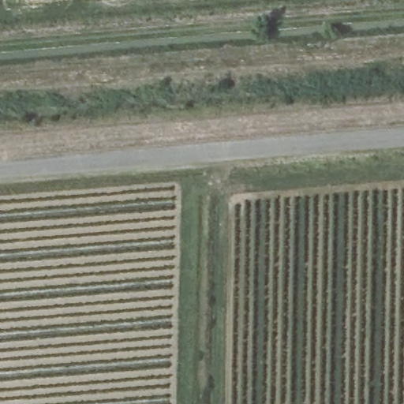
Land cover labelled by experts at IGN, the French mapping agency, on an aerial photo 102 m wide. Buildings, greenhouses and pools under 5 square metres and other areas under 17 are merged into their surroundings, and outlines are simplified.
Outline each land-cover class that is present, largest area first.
<instances>
[{"label":"vineyard","instance_id":"1","mask_svg":"<svg viewBox=\"0 0 404 404\"><path fill-rule=\"evenodd\" d=\"M202 174L199 169L159 170L95 177L80 175L58 180L0 183V404H177L181 219V188L178 181L181 178H197ZM234 273L240 275V292L238 303H234V325L232 404H404V188L325 194L324 199H319L317 194L286 199L270 197L246 200L235 205Z\"/></svg>","mask_w":404,"mask_h":404},{"label":"herbaceous vegetation","instance_id":"2","mask_svg":"<svg viewBox=\"0 0 404 404\"><path fill-rule=\"evenodd\" d=\"M265 16V33L270 38V44L252 46V39H249L126 47L93 50L82 54L39 55L0 60V96L14 90H57L60 93V106L57 109L41 107L28 110L25 118L30 123H0V161H33L74 153H109L129 148H166L227 140H252L259 137L311 136L344 131L350 133L353 129L404 128V95L395 96L393 99L379 96L369 99H347L344 104L336 103L331 107H324L322 104L294 103L268 109L267 104L241 106L238 103H221V107L188 110L185 104H170L166 109L153 107L147 118L133 115L122 117L120 120L106 117L93 120L79 118L77 114L90 106L85 103L80 93L90 92L92 85L129 90L170 77L174 84L188 85L194 80H200L202 84L216 85L224 77L234 79L235 76L249 74L270 77L271 74H297L300 71L298 65H306L319 71L361 68L366 63L376 62H387L393 68L404 66V27L369 30L350 28V32L344 35L333 30L331 25L333 22L350 25L353 22L404 19V0H0V54L13 50L118 43L125 39L158 36L175 38L194 33H227L232 30L237 33L246 32L249 30V17ZM308 25H317L320 33L294 36H282L279 33V27L286 30ZM224 169L230 170L227 178L230 185H245L246 193L306 186L357 185L369 181L404 180V147L365 148L349 150V153L331 151L294 158L287 155L282 158L268 156L219 163ZM181 188V219L177 404H224L226 325H234V278L227 279L226 276L229 251L224 246H219L221 213L216 211V205H219L221 200L219 194L211 196L208 211L210 219L202 223V194L207 193L210 186L202 174L197 178H181L178 181Z\"/></svg>","mask_w":404,"mask_h":404},{"label":"deciduous trees","instance_id":"3","mask_svg":"<svg viewBox=\"0 0 404 404\"><path fill-rule=\"evenodd\" d=\"M249 30L246 32L249 39H252V46L270 44V38L265 33V16L249 17ZM300 71L297 74H271L270 77L249 74L235 76L234 79L224 77L216 85L202 84L200 80H194L188 85L174 84L170 77L129 90L92 85L90 92L80 93L85 103L90 106L77 114L79 118L93 120L106 117L120 120L122 117L133 115L147 118L153 107L166 109L170 104H185L188 110L221 107V103H238L241 106L267 104L268 109L294 103L322 104L324 107H331L336 103L344 104L347 99H369L379 96L393 99L395 96L404 95V66L393 68L387 62H376L366 63L361 68L319 71L306 65H298ZM60 93L57 90H14L0 96V123H30L25 118L28 110L41 107L57 109L60 106Z\"/></svg>","mask_w":404,"mask_h":404},{"label":"impervious surface","instance_id":"4","mask_svg":"<svg viewBox=\"0 0 404 404\"><path fill-rule=\"evenodd\" d=\"M404 147V128L353 129L350 133L344 131L311 136L259 137L252 140H227L166 148H129L109 153H74L33 161H0V183L58 180L80 175L95 177L159 170L199 169L210 166V163H219L268 156L282 158L287 155L294 158L331 151L349 153V150L365 148Z\"/></svg>","mask_w":404,"mask_h":404},{"label":"plowed land","instance_id":"5","mask_svg":"<svg viewBox=\"0 0 404 404\"><path fill-rule=\"evenodd\" d=\"M202 174L210 186L207 193L202 194V223L210 219L208 211L211 196L219 194L221 200L219 205H216V211L221 213L219 246H224L229 251L226 276L227 279L234 278V303H238L240 292V275L234 273L235 205L246 200L270 197L286 199L317 194L319 199H324L325 194L404 188V180L369 181L357 185L306 186L246 193L245 185H230L227 178L230 170L224 169L219 163H210V166L199 169ZM234 325H226L224 404H232Z\"/></svg>","mask_w":404,"mask_h":404},{"label":"water","instance_id":"6","mask_svg":"<svg viewBox=\"0 0 404 404\"><path fill-rule=\"evenodd\" d=\"M404 27V19L353 22L350 25L333 22L331 25L333 30L344 35L350 32V28L369 30ZM279 33L282 36H294L320 33L317 25H308L286 30L279 27ZM249 39L246 32L237 33L232 30L227 33H194L175 38L158 36L125 39L118 43L13 50L0 54V60L39 55L82 54L93 50L126 47Z\"/></svg>","mask_w":404,"mask_h":404}]
</instances>
